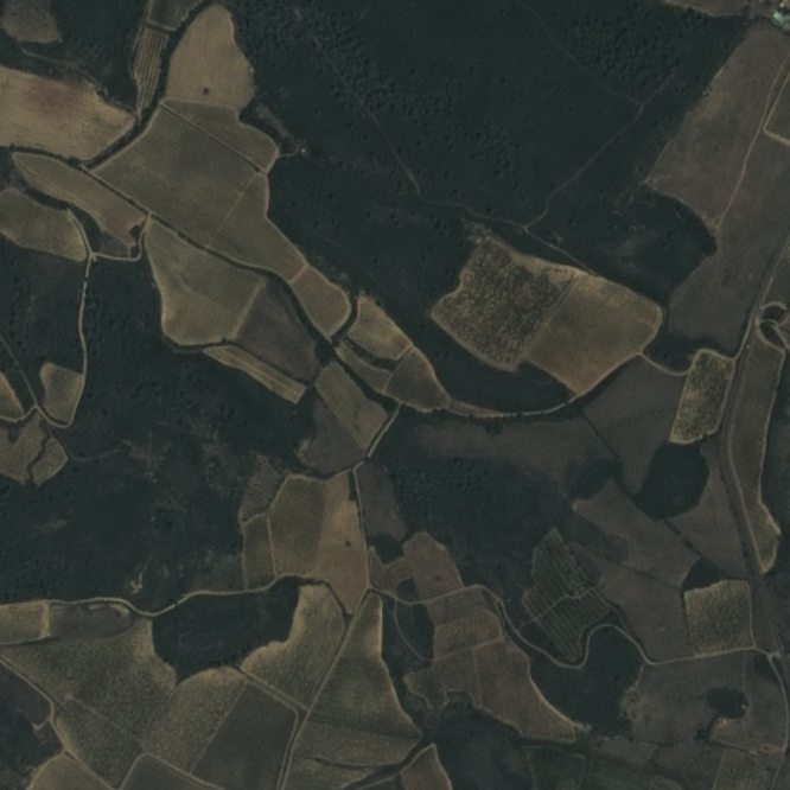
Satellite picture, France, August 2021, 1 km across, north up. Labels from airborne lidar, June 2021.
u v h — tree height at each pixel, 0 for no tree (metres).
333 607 0
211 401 0
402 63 0
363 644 0
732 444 0
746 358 0
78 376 0
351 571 0
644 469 0
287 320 0
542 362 0
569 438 0
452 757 0
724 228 0
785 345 0
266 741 0
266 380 0
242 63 0
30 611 0
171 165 0
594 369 0
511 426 0
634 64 10
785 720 0
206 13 0
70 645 0
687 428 0
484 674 0
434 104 8
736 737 0
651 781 0
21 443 0
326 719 0
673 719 0
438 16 0
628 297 0
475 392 0
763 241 0
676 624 0
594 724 0
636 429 0
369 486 0
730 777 0
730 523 0
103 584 0
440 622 0
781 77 0
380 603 0
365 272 0
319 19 9
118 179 0
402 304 0
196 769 0
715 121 0
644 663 0
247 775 0
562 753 0
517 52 0
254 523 0
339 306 0
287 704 0
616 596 0
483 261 0
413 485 6
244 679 0
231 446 0
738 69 0
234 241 0
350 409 0
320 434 0
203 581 0
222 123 0
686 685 0
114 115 0
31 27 0
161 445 0
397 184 8
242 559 0
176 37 7
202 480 0
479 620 0
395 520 0
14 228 0
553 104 0
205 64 0
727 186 0
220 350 0
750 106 0
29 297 6
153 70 0
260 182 0
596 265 0
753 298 0
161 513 7
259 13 10
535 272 0
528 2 0
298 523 0
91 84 0
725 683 0
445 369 0
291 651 0
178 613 0
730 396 0
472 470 7
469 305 0
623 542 0
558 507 0
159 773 0
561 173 0
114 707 0
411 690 0
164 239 0
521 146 7
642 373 0
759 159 0
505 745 0
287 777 0
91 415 0
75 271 0
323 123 0
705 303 0
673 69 14
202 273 0
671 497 0
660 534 0
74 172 0
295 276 0
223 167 0
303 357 0
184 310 0
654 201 8
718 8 0
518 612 0
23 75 0
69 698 0
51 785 0
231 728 0
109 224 0
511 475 0
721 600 0
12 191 0
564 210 0
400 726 0
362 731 0
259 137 0
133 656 0
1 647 0
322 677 0
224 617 0
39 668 0
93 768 0
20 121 0
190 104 0
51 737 0
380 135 0
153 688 0
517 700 0
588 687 0
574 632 0
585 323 0
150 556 0
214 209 0
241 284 0
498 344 0
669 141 0
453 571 0
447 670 0
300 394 0
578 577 0
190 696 0
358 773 0
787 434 0
